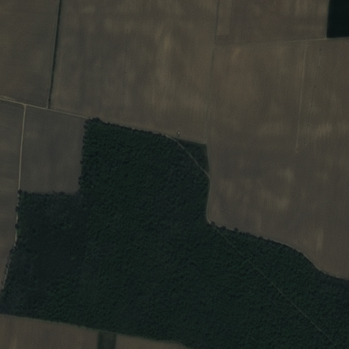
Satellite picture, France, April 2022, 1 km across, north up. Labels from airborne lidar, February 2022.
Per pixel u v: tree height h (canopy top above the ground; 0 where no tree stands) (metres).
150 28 0
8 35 0
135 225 10
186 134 0
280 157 0
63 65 0
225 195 0
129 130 11
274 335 13
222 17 0
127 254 10
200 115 0
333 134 0
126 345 0
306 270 10
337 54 0
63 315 7
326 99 0
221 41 0
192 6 0
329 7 0
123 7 0
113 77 0
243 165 0
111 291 9
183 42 0
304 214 0
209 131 0
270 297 12
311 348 10
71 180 0
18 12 0
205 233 9
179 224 12
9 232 0
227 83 0
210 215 0
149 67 0
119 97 0
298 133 0
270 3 0
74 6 0
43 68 0
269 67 0
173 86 0
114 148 12
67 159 0
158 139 6
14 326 0
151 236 11
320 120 0
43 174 0
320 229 0
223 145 0
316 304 12
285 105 0
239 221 0
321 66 0
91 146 12
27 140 0
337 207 0
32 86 0
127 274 13
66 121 0
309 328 11
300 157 0
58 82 0
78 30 0
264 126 0
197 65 0
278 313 11
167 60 0
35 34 0
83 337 0
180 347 0
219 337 12
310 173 0
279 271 13
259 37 0
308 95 0
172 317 12
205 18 0
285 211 0
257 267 12
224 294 11
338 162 0
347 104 0
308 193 0
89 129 7
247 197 0
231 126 0
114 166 13
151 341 0
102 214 10
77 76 0
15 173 0
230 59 0
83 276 17
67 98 0
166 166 11
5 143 0
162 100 0
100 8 0
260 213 0
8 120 0
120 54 0
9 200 0
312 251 0
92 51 0
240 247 9
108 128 9
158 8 0
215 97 0
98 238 12
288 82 0
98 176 13
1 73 0
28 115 0
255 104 0
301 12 0
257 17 0
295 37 0
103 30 0
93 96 0
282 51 0
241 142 0
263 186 0
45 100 0
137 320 11
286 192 0
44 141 0
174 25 0
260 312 11
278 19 0
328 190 0
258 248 11
